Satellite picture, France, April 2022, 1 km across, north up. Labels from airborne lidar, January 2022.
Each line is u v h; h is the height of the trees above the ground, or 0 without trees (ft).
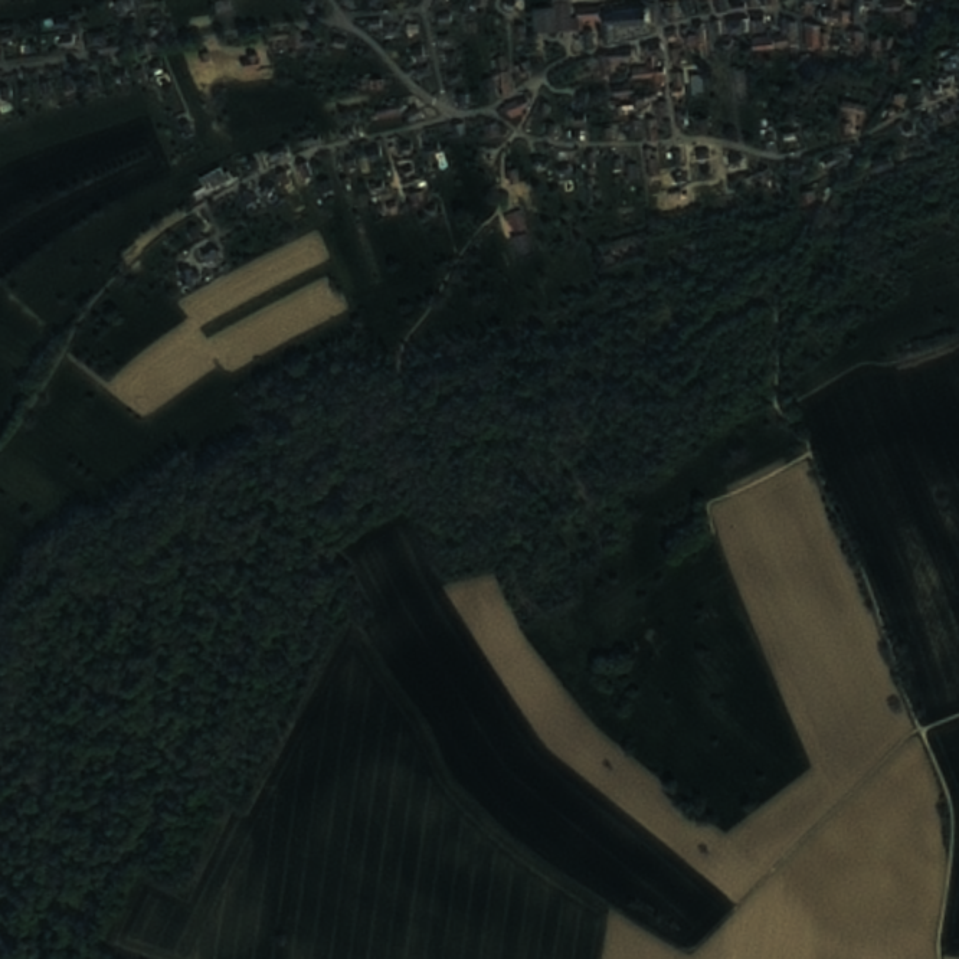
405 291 0
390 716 0
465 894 0
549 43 24
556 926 0
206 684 36
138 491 92
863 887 0
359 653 0
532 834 0
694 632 0
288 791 0
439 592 0
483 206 0
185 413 0
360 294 0
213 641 56
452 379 103
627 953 0
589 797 0
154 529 108
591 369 20
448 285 27
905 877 0
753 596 0
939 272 0
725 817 0
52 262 0
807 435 60
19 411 43
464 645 0
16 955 88
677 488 0
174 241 34
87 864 84
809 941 0
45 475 0
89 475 24
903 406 0
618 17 0
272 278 0
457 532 44
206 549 84
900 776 0
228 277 0
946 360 0
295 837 0
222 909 0
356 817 0
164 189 0
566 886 0
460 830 0
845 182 44
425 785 0
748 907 0
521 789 0
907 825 0
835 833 0
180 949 0
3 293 0
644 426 72
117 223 0
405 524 0
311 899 0
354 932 0
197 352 0
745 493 0
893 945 0
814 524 0
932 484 0
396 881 0
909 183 18
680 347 43
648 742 0
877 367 0
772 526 0
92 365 24
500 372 88
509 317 0
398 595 0
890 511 0
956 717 0
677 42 26
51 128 0
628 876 0
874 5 0
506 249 0
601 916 0
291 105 0
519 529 90
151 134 0
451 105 0
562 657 0
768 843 0
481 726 0
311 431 103
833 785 0
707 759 0
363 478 95
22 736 43
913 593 0
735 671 0
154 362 0
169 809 102
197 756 106
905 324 0
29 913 100
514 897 0
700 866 0
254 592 95
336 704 0
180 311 0
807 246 46
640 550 0
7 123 0
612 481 84
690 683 0
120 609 104
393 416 92
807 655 0
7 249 0
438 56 0
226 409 0
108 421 0
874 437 0
